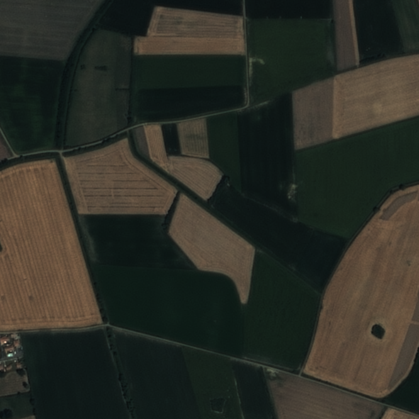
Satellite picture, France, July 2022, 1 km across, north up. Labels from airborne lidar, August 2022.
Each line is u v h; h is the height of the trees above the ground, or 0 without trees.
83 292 0
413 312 0
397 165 0
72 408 0
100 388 0
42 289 0
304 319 0
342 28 0
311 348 0
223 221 0
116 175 0
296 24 0
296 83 0
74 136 0
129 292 0
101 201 0
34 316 0
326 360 0
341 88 0
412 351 0
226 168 0
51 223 0
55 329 0
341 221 0
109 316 0
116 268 0
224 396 0
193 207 0
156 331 0
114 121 0
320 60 0
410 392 0
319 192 0
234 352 0
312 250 0
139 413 0
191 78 0
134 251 0
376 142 0
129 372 0
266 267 0
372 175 0
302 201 0
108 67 0
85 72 0
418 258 0
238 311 0
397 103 0
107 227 0
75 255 0
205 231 0
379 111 0
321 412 0
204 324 0
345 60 0
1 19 0
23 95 0
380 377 0
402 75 0
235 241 0
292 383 0
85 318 0
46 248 0
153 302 0
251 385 0
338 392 0
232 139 0
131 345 0
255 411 0
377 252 0
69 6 0
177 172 0
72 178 0
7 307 0
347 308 0
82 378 0
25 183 0
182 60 0
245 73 0
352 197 0
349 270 0
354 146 0
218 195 6
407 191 0
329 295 0
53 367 0
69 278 0
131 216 0
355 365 0
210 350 0
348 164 0
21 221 0
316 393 0
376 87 0
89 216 0
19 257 0
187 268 0
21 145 0
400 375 0
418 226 0
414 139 0
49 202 0
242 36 0
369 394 0
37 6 0
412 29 0
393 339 0
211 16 0
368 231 0
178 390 0
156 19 0
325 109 0
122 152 0
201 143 0
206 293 0
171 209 6
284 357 0
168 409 0
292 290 0
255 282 0
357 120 0
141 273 0
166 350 0
